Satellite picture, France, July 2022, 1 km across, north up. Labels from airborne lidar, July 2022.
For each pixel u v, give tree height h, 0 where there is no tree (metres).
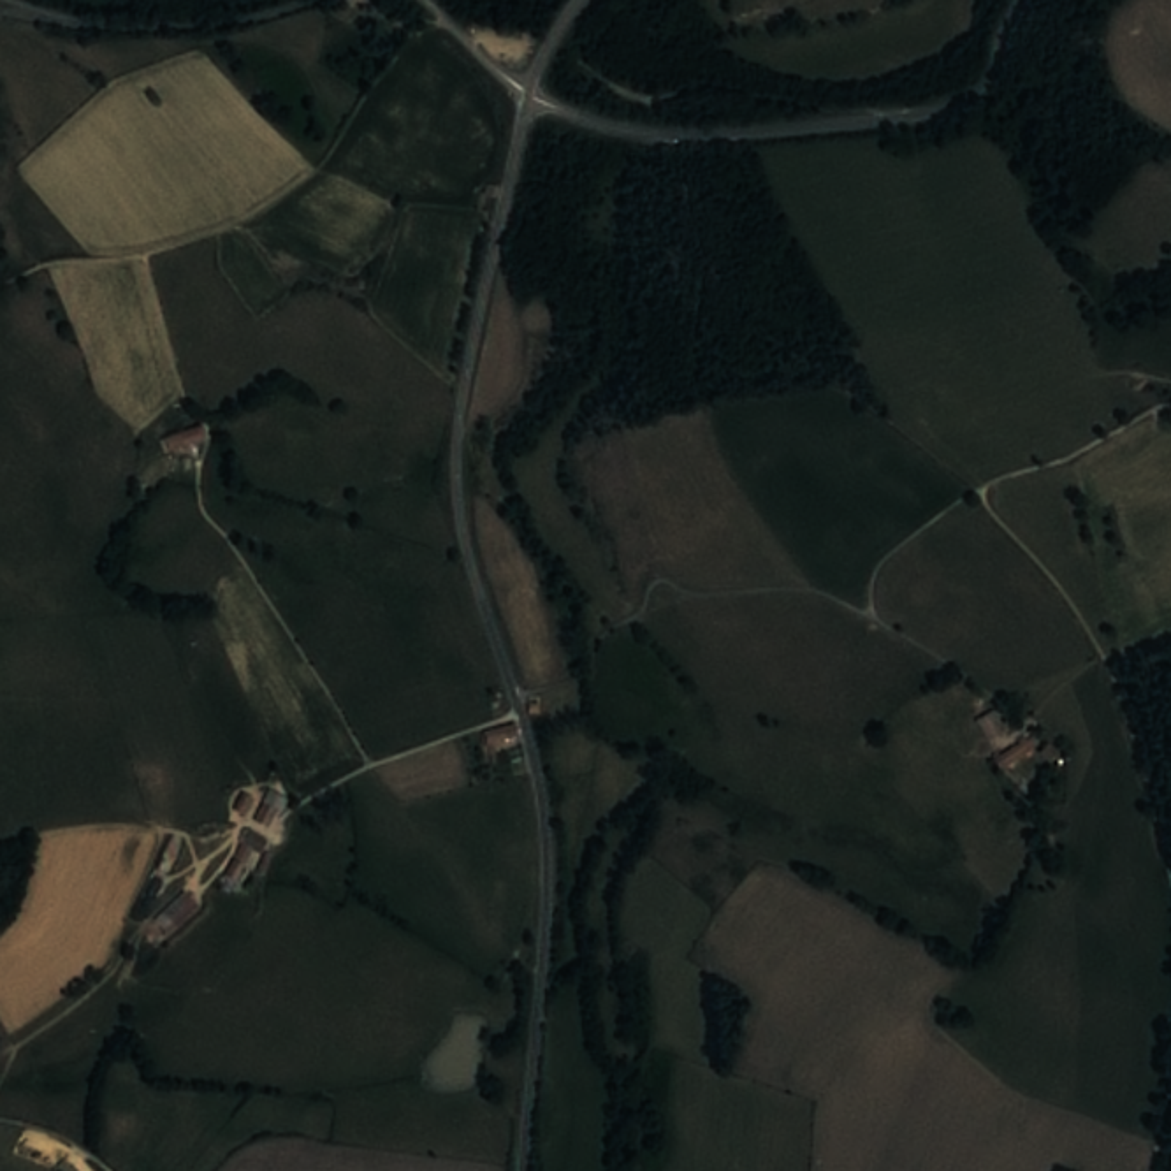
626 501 0
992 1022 0
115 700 0
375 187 0
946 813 0
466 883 0
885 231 0
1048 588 0
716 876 0
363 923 0
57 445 0
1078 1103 0
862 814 0
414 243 0
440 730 0
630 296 20
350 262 0
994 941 17
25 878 9
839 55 0
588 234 5
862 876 0
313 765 0
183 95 0
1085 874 0
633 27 14
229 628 0
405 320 0
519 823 0
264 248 0
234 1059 0
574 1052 0
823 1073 0
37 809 0
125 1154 0
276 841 0
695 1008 0
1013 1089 0
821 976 0
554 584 15
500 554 0
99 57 0
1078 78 11
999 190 0
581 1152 0
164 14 20
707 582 0
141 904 0
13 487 0
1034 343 0
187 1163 0
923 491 0
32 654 0
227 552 0
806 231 0
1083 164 16
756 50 0
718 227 9
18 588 0
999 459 0
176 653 0
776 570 0
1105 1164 0
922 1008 0
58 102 0
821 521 0
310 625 0
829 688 0
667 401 11
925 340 0
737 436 0
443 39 0
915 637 0
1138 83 0
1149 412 0
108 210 0
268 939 0
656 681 0
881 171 0
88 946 0
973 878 0
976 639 0
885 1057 0
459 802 0
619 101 16
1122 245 0
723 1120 0
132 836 0
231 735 0
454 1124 0
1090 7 8
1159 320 11
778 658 0
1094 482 0
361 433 0
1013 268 0
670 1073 0
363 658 0
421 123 0
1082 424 0
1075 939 0
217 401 0
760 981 0
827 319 14
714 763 0
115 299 0
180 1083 14
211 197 0
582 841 0
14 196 0
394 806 0
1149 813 17
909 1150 0
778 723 9
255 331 0
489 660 0
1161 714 29
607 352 19
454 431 0
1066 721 0
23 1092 0
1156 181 0
